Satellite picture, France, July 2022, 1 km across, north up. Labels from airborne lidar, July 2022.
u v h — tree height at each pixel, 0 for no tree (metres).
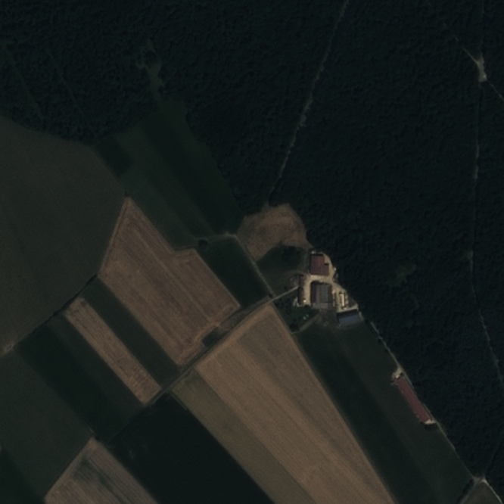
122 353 0
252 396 0
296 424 0
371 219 22
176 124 0
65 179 0
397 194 23
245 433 0
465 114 21
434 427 8
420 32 19
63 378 0
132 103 20
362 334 0
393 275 20
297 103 11
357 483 0
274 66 18
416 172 22
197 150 0
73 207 0
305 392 0
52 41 21
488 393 23
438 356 21
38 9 22
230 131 21
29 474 0
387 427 0
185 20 22
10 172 0
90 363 0
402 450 0
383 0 18
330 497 0
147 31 16
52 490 0
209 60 23
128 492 0
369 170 24
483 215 20
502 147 20
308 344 0
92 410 0
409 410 0
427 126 23
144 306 0
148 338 0
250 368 0
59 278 0
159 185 0
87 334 0
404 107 20
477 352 22
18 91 30
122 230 0
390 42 21
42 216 0
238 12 17
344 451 0
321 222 12
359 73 22
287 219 0
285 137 21
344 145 26
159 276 0
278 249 0
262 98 16
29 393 0
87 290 0
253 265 0
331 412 0
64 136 18
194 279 0
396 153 20
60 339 0
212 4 18
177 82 19
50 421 0
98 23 14
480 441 13
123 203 0
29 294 0
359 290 20
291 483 0
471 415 21
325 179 24
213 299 0
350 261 20
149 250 0
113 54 23
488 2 26
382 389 0
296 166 24
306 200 22
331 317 0
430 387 15
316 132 24
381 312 19
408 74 15
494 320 23
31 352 0
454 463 0
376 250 25
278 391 0
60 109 19
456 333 19
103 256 0
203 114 19
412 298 14
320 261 0
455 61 16
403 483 0
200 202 0
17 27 18
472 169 17
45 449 0
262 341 0
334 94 17
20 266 0
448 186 23
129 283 0
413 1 19
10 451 0
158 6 22
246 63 11
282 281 0
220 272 0
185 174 0
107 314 0
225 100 19
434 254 22
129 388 0
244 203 25
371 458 0
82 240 0
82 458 0
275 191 9
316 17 23
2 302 0
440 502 0
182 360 0
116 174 0
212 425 0
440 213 21
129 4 18
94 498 0
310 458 0
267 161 19
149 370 0
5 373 0
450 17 21
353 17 20
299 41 22
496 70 25
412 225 19
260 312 0
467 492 9
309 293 0
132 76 21
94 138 20
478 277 21
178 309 0
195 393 0
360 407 0
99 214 0
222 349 0
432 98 23
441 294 18
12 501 0
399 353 19
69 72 22
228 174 22
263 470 0
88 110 17
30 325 0
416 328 20
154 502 0
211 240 0
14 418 0
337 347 0
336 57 14
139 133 0
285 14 20
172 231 0
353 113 23
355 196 26
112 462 0
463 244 18
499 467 19
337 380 0
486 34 20
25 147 0
